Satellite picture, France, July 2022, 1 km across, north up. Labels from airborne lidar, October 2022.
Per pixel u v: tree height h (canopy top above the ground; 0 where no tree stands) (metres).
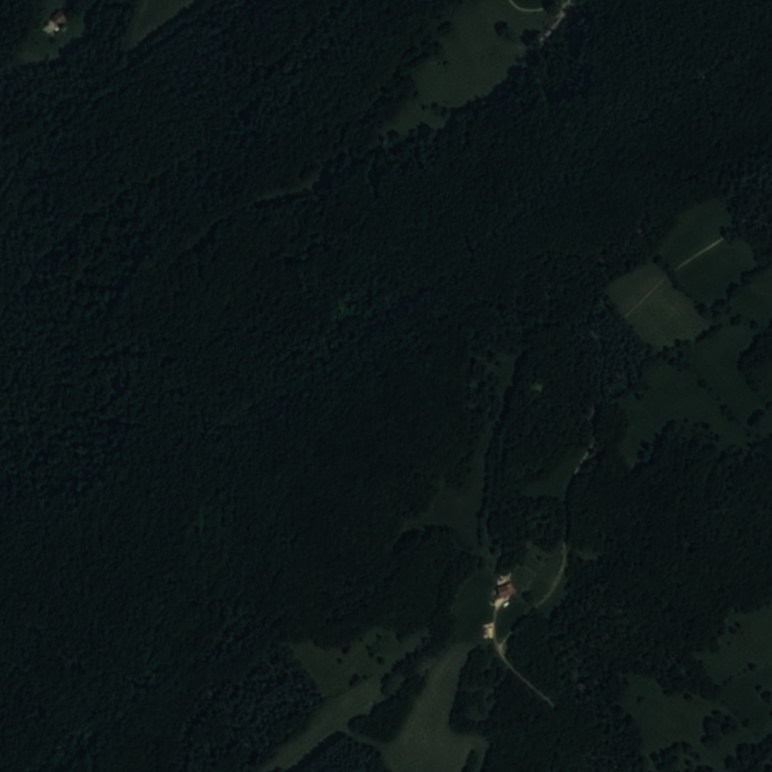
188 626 28
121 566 26
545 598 0
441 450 21
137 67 32
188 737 13
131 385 31
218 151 27
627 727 23
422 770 0
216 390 34
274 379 27
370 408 21
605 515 20
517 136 35
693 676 19
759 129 23
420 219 29
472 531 0
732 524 18
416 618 18
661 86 17
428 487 23
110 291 21
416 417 18
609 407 23
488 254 23
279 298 23
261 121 28
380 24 31
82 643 29
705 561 18
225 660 24
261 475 22
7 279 24
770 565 20
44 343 22
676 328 0
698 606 17
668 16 31
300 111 30
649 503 20
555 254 17
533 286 20
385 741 14
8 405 15
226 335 23
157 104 34
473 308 25
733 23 23
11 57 25
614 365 24
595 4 26
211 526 14
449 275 24
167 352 30
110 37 15
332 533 21
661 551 23
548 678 15
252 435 23
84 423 11
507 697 17
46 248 18
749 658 0
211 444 28
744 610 16
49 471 22
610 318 24
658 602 15
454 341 22
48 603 30
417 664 12
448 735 0
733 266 0
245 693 12
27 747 25
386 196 28
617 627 17
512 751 19
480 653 11
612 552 18
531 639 14
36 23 6
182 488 21
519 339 10
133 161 34
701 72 18
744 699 0
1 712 27
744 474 22
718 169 24
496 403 18
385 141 26
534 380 21
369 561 28
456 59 0
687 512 20
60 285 31
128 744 22
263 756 26
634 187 25
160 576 22
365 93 30
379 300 25
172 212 37
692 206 18
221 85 26
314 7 37
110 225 30
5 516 27
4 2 22
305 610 28
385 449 22
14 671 30
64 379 21
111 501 29
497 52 0
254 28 36
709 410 0
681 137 21
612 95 25
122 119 30
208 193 34
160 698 17
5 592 33
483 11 0
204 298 27
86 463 12
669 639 21
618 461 25
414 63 8
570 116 27
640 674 13
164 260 21
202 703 19
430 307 21
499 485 15
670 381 0
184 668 25
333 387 25
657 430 0
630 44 31
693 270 0
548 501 19
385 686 9
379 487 25
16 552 30
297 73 24
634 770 22
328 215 33
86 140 27
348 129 23
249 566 18
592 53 32
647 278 0
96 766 17
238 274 23
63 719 18
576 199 21
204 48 24
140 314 25
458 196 32
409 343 20
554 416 23
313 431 26
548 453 22
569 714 16
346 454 20
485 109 29
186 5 0
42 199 13
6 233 11
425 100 0
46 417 26
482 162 31
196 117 25
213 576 16
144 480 34
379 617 22
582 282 17
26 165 28
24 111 25
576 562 10
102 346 26
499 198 32
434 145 18
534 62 9
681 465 22
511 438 19
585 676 15
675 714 0
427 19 24
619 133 17
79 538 27
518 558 13
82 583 27
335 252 25
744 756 16
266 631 25
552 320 20
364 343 16
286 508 26
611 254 19
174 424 32
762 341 18
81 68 21
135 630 27
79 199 38
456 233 30
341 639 24
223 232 25
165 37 17
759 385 19
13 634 27
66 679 26
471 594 0
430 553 23
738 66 19
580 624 19
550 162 29
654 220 21
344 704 0
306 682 24
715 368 0
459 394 27
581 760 19
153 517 26
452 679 0
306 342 34
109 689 22
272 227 26
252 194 26
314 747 0
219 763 30
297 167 28
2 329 19
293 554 21
